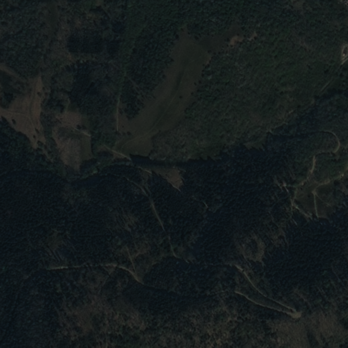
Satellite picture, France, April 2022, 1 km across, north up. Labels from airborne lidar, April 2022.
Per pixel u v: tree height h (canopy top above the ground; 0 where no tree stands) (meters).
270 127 23
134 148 0
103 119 28
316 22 7
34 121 0
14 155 20
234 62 8
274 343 19
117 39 12
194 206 20
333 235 35
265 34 11
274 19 11
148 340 23
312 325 15
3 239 19
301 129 22
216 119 10
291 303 16
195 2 17
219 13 16
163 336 17
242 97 21
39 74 0
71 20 13
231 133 19
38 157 12
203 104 7
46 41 14
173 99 0
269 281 9
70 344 13
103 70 26
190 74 0
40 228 27
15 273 16
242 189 32
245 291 7
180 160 22
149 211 24
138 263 8
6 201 25
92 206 28
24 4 8
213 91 12
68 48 20
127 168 19
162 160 20
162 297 17
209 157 0
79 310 11
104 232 22
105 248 28
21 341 14
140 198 26
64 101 26
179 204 24
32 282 11
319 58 17
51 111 16
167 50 13
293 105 0
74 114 0
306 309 14
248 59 24
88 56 9
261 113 12
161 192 28
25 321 13
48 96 13
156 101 0
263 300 15
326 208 0
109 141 17
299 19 10
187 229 32
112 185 21
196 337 22
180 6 8
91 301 29
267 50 8
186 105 0
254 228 26
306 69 17
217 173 29
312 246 33
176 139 8
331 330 15
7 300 17
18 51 10
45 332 16
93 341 12
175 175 0
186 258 9
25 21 20
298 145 20
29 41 15
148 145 0
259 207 28
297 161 19
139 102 8
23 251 19
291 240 36
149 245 32
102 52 22
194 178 21
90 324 13
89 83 25
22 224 22
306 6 7
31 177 21
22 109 0
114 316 15
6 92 0
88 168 24
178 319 14
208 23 11
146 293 13
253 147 0
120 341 21
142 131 0
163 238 26
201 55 0
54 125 23
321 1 9
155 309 18
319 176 24
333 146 15
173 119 0
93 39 20
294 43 16
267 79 10
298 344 14
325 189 0
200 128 12
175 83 0
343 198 25
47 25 8
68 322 15
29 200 22
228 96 19
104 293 11
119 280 16
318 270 29
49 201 31
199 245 8
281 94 9
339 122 23
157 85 8
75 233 32
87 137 0
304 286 29
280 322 14
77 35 23
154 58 19
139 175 20
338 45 12
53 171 16
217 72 15
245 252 0
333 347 11
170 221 22
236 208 28
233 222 26
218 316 11
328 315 19
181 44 0
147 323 22
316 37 16
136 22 16
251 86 12
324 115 17
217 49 0
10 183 31
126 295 17
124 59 22
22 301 11
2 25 22
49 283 12
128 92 10
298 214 12
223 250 27
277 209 28
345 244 31
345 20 12
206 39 0
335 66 11
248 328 19
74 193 30
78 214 34
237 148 9
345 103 6
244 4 14
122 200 26
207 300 19
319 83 14
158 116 0
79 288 10
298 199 0
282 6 15
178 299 18
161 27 7
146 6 19
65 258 30
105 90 28
